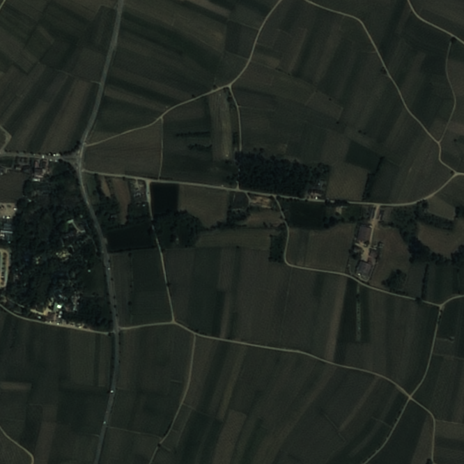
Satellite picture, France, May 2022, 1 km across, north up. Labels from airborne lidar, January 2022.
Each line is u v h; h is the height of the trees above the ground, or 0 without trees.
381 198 0
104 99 0
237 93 0
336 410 0
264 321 0
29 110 0
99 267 0
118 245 0
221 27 0
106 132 0
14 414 0
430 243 0
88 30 0
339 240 0
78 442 0
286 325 0
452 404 0
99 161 0
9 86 0
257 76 0
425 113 0
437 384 0
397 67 0
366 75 0
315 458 0
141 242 0
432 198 0
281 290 0
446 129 0
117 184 0
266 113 0
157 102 0
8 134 0
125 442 0
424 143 0
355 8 0
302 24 0
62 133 0
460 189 0
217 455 0
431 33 0
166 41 0
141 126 0
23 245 8
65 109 0
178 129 0
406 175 0
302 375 0
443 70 0
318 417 0
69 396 0
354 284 0
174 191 0
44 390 0
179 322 0
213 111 0
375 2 0
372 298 0
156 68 0
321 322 0
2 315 0
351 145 0
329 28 0
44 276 7
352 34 0
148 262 0
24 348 0
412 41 0
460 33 0
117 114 0
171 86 0
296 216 0
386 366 0
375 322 0
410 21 0
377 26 0
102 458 0
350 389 0
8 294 11
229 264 0
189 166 0
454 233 0
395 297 0
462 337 0
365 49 0
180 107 0
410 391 0
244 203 0
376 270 0
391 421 0
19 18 0
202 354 0
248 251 0
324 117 0
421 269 0
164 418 0
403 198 0
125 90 0
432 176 0
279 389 0
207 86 0
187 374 0
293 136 0
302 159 0
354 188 0
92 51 0
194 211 0
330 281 0
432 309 0
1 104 0
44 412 0
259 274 0
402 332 0
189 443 0
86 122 0
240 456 0
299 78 0
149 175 0
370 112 0
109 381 0
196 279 0
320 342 0
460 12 0
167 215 9
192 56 0
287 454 0
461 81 0
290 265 0
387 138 0
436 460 0
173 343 0
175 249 0
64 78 0
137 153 0
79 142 7
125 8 0
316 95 0
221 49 0
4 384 0
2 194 0
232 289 0
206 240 0
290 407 0
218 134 0
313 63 0
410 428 0
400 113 0
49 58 0
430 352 0
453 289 0
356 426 0
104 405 0
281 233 0
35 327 0
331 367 0
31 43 0
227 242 0
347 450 0
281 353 0
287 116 0
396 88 0
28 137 0
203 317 0
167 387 0
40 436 0
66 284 16
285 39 0
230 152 0
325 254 0
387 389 0
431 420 0
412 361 0
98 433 0
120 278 0
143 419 0
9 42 0
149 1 0
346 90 0
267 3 0
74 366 0
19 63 0
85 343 0
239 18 0
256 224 0
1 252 0
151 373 0
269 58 0
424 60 0
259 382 0
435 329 0
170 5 0
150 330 0
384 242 0
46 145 0
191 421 0
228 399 0
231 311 0
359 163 0
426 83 0
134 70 0
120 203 0
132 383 0
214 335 0
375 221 0
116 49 0
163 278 0
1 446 0
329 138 0
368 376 0
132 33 0
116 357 0
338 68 0
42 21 0
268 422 0
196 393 0
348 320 0
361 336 0
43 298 0
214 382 0
